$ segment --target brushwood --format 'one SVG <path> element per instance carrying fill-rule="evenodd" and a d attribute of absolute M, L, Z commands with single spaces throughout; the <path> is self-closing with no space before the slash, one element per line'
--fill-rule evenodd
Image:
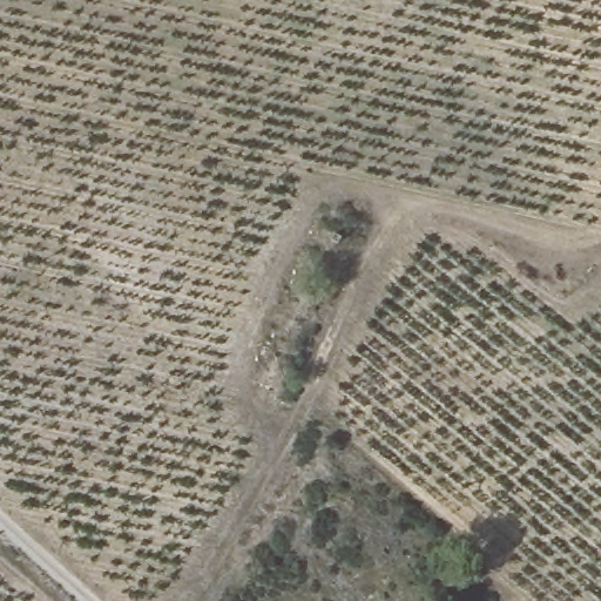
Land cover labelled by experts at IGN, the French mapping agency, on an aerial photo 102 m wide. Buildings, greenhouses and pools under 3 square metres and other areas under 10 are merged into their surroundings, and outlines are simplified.
<path fill-rule="evenodd" d="M 298 453 L 298 465 L 308 465 L 315 460 L 319 441 L 319 420 L 308 420 L 305 430 L 298 434 L 293 444 L 293 451 Z"/>
<path fill-rule="evenodd" d="M 340 202 L 340 211 L 336 218 L 322 218 L 322 228 L 340 235 L 333 249 L 354 251 L 362 258 L 364 247 L 371 237 L 373 216 L 369 211 L 357 209 L 352 200 L 345 200 Z"/>
<path fill-rule="evenodd" d="M 326 373 L 326 364 L 315 357 L 324 329 L 322 324 L 310 324 L 296 338 L 298 354 L 286 354 L 286 371 L 279 371 L 284 401 L 298 401 L 308 380 Z"/>

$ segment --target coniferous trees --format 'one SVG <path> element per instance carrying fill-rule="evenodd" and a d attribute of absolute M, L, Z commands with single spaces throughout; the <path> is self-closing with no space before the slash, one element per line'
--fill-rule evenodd
<path fill-rule="evenodd" d="M 305 275 L 303 289 L 308 296 L 326 291 L 326 286 L 331 284 L 319 263 L 312 272 Z"/>
<path fill-rule="evenodd" d="M 404 582 L 408 587 L 423 585 L 432 589 L 432 582 L 441 580 L 448 587 L 465 589 L 470 585 L 491 580 L 491 573 L 479 575 L 477 570 L 481 559 L 479 554 L 470 552 L 470 547 L 484 547 L 484 538 L 472 526 L 467 533 L 453 528 L 446 535 L 441 535 L 437 528 L 430 531 L 427 545 L 416 547 L 416 566 L 399 570 Z"/>

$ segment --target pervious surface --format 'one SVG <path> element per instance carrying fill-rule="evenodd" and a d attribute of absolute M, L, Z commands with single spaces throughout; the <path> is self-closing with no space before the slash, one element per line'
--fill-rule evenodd
<path fill-rule="evenodd" d="M 0 531 L 7 545 L 14 545 L 16 549 L 26 552 L 33 563 L 45 568 L 77 601 L 101 601 L 54 554 L 49 554 L 40 542 L 35 542 L 0 507 Z"/>

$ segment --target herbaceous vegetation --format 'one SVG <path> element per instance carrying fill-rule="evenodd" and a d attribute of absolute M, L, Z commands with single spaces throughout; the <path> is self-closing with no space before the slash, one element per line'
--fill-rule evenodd
<path fill-rule="evenodd" d="M 293 500 L 289 514 L 284 519 L 277 519 L 272 535 L 265 542 L 256 545 L 254 556 L 244 566 L 249 578 L 247 587 L 228 587 L 221 601 L 500 601 L 500 594 L 493 589 L 491 580 L 470 585 L 465 589 L 448 587 L 441 580 L 432 582 L 432 589 L 423 585 L 408 587 L 404 582 L 399 570 L 416 566 L 416 547 L 427 545 L 430 531 L 437 528 L 441 535 L 446 535 L 453 528 L 448 521 L 427 509 L 401 484 L 397 484 L 385 470 L 380 470 L 352 441 L 347 444 L 347 448 L 329 446 L 326 460 L 331 467 L 331 477 L 315 479 L 305 486 L 305 493 L 298 500 Z"/>
<path fill-rule="evenodd" d="M 519 521 L 512 521 L 507 514 L 502 519 L 474 519 L 472 526 L 484 538 L 484 547 L 470 547 L 470 552 L 479 554 L 481 559 L 477 570 L 479 575 L 491 573 L 509 561 L 519 561 L 514 549 L 524 540 L 526 531 Z"/>

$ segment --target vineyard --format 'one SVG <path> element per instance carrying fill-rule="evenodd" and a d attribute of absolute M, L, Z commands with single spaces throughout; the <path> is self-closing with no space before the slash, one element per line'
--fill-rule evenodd
<path fill-rule="evenodd" d="M 0 531 L 0 601 L 77 601 L 45 568 L 33 563 L 26 552 L 16 549 L 14 545 L 7 545 Z"/>
<path fill-rule="evenodd" d="M 336 218 L 340 211 L 340 202 L 345 200 L 352 200 L 357 209 L 369 211 L 373 216 L 371 237 L 364 247 L 362 258 L 354 251 L 333 249 L 340 235 L 322 228 L 322 218 Z M 303 289 L 305 275 L 312 272 L 319 263 L 331 284 L 326 286 L 326 291 L 308 296 Z M 298 354 L 296 338 L 310 324 L 322 324 L 324 329 L 315 357 L 326 364 L 326 373 L 308 380 L 298 401 L 284 401 L 279 371 L 286 371 L 286 354 Z M 308 465 L 298 465 L 298 453 L 293 451 L 293 444 L 298 434 L 305 430 L 308 420 L 319 420 L 319 441 L 315 460 Z M 467 533 L 472 526 L 474 519 L 502 519 L 507 514 L 512 521 L 519 521 L 526 531 L 524 540 L 514 549 L 519 561 L 509 561 L 491 573 L 491 580 L 493 589 L 500 594 L 500 601 L 601 601 L 601 0 L 0 0 L 0 507 L 35 542 L 40 542 L 49 554 L 54 554 L 101 601 L 221 601 L 228 587 L 247 587 L 249 578 L 244 566 L 254 556 L 256 545 L 265 542 L 272 535 L 277 519 L 284 519 L 289 514 L 293 500 L 298 500 L 305 493 L 305 486 L 315 479 L 331 477 L 331 467 L 326 460 L 329 446 L 347 448 L 347 444 L 352 441 L 380 470 L 385 470 L 397 484 L 401 484 L 427 509 L 448 521 L 453 528 Z"/>

